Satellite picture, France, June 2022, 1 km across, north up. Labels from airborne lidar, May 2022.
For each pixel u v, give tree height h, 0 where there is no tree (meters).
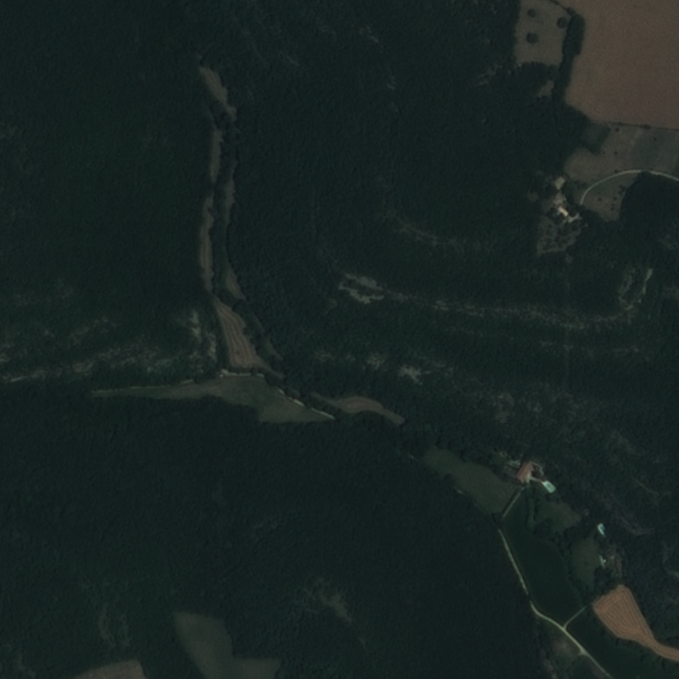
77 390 14
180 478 10
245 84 7
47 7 14
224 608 16
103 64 11
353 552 12
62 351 7
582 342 7
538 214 11
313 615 8
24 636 8
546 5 0
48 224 8
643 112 0
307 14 7
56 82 11
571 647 0
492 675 12
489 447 17
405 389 6
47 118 11
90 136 10
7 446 13
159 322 12
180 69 19
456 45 9
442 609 14
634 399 8
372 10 16
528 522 8
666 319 8
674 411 14
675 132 0
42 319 7
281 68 8
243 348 0
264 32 6
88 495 14
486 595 14
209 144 18
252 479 17
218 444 16
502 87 14
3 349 7
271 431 14
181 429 10
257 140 10
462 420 8
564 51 13
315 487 14
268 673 0
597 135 0
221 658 0
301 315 8
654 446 7
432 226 8
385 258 8
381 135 8
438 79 15
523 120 17
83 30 11
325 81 14
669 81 0
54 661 12
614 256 7
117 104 12
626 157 0
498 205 14
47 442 15
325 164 13
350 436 15
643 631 0
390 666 9
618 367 8
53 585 7
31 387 11
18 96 10
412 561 11
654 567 7
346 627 9
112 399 7
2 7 12
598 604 0
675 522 13
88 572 8
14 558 9
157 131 7
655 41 0
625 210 11
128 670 0
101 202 11
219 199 18
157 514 12
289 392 13
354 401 0
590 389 9
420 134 18
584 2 0
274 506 10
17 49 10
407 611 9
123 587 11
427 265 8
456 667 13
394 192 7
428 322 6
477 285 10
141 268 13
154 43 17
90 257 15
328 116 14
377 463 13
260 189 14
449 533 12
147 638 10
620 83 0
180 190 13
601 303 7
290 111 16
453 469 0
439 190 14
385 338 6
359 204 10
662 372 14
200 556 18
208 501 14
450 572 10
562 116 16
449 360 9
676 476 10
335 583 7
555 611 0
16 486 9
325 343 9
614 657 0
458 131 11
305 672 7
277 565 10
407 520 15
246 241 7
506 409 6
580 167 0
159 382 16
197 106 11
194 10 20
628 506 7
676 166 0
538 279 7
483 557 11
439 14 10
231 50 9
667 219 9
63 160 7
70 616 10
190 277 16
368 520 12
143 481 15
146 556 15
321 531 10
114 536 17
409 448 15
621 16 0
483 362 10
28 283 6
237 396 0
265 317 14
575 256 8
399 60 12
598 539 9
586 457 10
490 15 7
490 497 0
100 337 7
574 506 11
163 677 13
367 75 10
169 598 13
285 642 8
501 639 12
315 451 12
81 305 9
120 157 11
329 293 9
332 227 8
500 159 15
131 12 10
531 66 11
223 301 15
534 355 8
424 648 11
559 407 7
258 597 9
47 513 16
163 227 14
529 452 6
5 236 9
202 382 8
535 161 18
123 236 17
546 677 8
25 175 6
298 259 7
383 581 11
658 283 7
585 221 10
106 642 6
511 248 7
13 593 10
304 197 9
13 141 8
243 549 9
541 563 0
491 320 7
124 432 11
